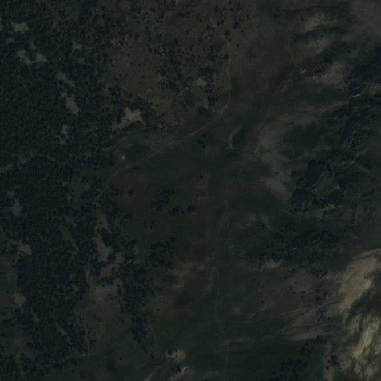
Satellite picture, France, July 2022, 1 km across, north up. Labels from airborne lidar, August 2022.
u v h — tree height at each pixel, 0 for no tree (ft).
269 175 0
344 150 0
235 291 0
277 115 0
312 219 0
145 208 0
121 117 37
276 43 0
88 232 34
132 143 0
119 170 0
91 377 0
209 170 0
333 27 0
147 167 0
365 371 0
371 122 0
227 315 0
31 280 36
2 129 20
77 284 38
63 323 43
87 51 36
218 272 0
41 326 38
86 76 36
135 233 0
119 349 0
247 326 0
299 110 0
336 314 0
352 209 0
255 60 0
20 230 43
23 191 46
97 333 0
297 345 0
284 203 0
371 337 0
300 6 0
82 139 46
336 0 0
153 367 0
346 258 0
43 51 48
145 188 0
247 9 0
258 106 0
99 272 29
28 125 55
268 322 0
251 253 0
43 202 51
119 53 0
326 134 0
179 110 0
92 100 35
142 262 0
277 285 0
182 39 0
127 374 0
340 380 0
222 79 0
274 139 0
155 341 0
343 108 0
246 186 0
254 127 0
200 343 0
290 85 0
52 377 0
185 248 0
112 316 0
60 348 52
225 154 0
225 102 0
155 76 0
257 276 0
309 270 0
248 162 0
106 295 0
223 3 0
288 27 0
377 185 0
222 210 0
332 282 0
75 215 40
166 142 0
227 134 0
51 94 35
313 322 0
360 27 0
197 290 0
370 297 0
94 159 29
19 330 0
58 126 54
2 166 23
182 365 0
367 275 0
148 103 35
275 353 0
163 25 0
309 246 0
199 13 0
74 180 0
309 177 0
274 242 0
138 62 0
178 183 0
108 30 41
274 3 0
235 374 0
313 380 0
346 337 0
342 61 0
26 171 54
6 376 24
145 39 0
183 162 0
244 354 0
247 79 0
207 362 0
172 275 0
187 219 0
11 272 0
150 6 0
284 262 0
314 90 0
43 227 47
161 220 0
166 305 0
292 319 0
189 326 0
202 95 0
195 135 0
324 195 0
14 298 0
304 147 0
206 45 0
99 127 44
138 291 24
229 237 0
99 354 0
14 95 61
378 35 0
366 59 0
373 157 0
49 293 31
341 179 0
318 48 0
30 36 58
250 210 0
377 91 0
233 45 0
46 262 37
